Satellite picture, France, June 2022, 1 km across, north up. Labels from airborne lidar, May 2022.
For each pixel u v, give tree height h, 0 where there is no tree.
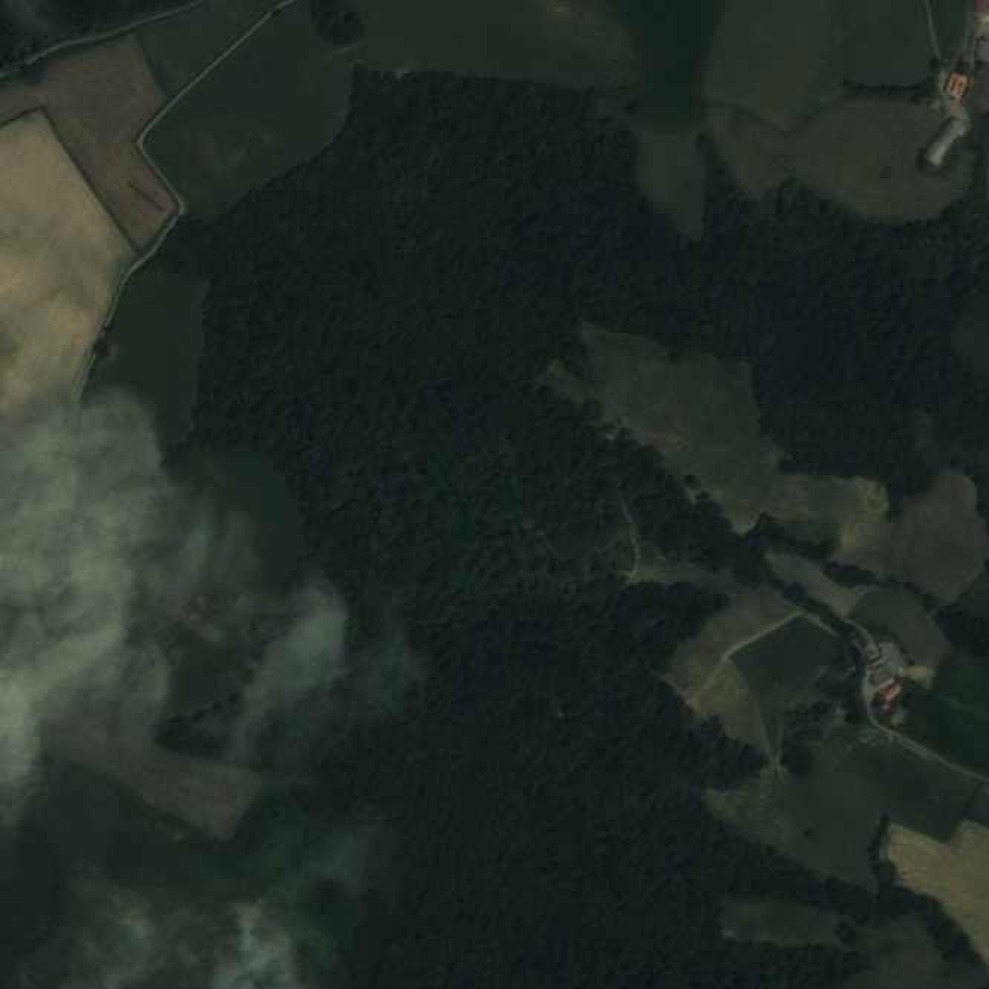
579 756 15
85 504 0
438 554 17
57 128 0
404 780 15
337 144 8
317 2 9
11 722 0
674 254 15
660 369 0
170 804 0
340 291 14
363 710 18
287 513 0
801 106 0
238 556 0
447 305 16
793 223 15
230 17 0
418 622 19
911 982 0
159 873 0
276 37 0
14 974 0
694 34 0
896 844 0
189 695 0
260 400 8
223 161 0
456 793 13
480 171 11
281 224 13
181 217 8
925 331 21
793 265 16
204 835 0
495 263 13
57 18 0
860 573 13
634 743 11
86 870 0
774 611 0
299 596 19
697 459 0
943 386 23
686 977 7
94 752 0
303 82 0
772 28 0
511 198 18
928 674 0
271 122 0
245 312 24
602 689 19
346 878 6
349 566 15
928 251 14
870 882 0
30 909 0
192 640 0
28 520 0
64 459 0
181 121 0
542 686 23
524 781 15
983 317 0
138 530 0
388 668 16
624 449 21
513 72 0
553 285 12
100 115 0
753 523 0
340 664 22
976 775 0
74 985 0
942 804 0
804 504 0
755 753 15
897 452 14
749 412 0
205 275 8
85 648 0
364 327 13
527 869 18
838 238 13
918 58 0
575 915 18
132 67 0
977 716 0
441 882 19
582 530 21
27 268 0
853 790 0
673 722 23
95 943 0
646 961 9
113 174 0
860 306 16
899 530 0
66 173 0
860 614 0
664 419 0
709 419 0
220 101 0
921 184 0
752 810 0
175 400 0
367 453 8
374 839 17
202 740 11
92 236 0
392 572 18
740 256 11
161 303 0
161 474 0
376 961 8
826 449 10
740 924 0
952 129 0
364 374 35
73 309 0
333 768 16
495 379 13
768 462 0
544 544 12
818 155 0
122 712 0
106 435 0
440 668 13
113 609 0
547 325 16
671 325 16
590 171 13
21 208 0
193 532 0
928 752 0
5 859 0
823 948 13
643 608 30
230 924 0
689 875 28
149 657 0
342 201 8
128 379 0
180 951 0
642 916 15
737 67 0
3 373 0
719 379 0
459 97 11
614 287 13
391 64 0
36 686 0
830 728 0
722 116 0
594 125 16
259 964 0
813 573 0
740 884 17
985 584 0
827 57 0
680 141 0
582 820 25
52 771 0
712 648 0
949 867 0
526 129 7
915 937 0
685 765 13
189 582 0
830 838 0
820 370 10
